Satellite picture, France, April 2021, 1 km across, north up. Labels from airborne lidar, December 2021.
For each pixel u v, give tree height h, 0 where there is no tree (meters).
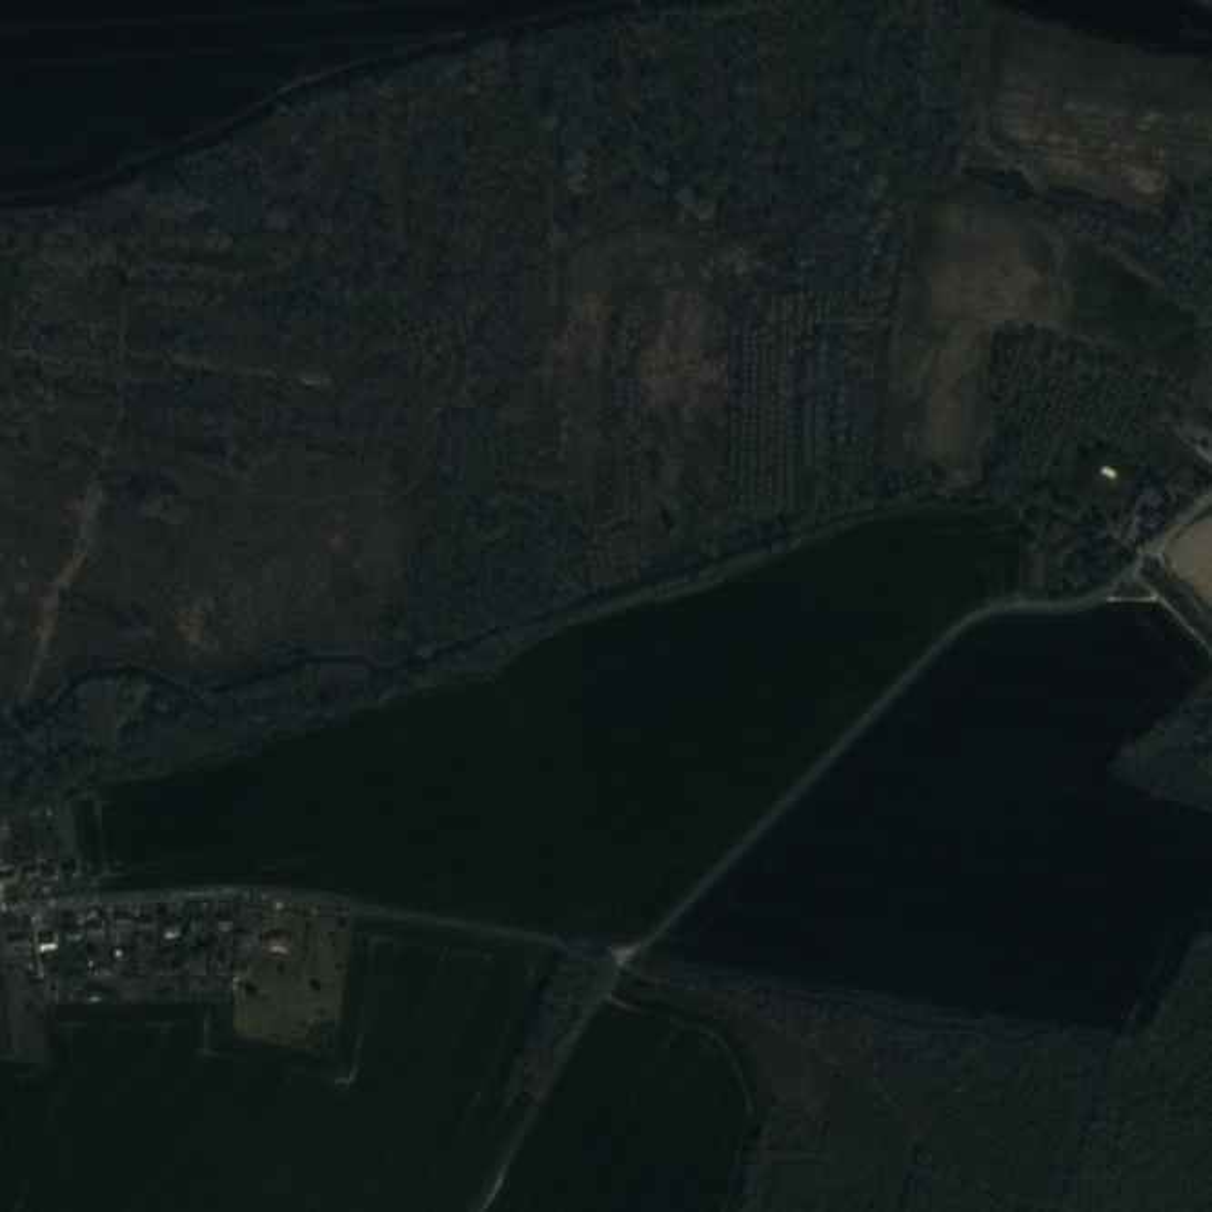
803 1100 0
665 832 0
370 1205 0
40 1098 0
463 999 0
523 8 0
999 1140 9
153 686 9
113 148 0
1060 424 28
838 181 18
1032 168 0
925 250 0
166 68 0
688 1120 0
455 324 24
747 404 24
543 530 19
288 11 0
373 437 16
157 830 0
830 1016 9
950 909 0
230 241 29
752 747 0
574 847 0
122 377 31
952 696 0
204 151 15
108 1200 0
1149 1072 14
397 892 0
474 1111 0
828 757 0
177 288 19
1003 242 0
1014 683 0
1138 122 0
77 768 20
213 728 21
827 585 0
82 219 15
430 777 0
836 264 21
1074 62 0
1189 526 0
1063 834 0
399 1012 0
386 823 0
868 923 0
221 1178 0
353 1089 0
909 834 0
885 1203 6
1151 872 0
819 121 18
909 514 0
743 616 0
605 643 0
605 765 0
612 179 18
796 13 14
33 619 6
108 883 0
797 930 0
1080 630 0
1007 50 0
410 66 13
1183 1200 17
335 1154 0
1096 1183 18
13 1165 0
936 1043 9
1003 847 0
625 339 26
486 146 15
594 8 0
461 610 19
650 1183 0
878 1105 6
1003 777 0
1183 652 0
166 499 31
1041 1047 10
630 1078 0
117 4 0
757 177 24
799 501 15
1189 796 11
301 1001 0
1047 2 0
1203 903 0
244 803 0
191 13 0
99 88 0
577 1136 0
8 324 12
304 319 21
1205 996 14
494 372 15
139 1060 0
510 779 0
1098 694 0
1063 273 0
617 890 0
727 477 17
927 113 25
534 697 0
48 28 0
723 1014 7
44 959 6
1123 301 0
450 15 0
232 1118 0
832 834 0
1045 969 0
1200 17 0
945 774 0
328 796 0
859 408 7
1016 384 30
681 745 0
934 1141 9
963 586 0
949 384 0
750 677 0
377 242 12
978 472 0
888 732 0
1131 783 10
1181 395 7
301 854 0
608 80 23
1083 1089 7
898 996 0
